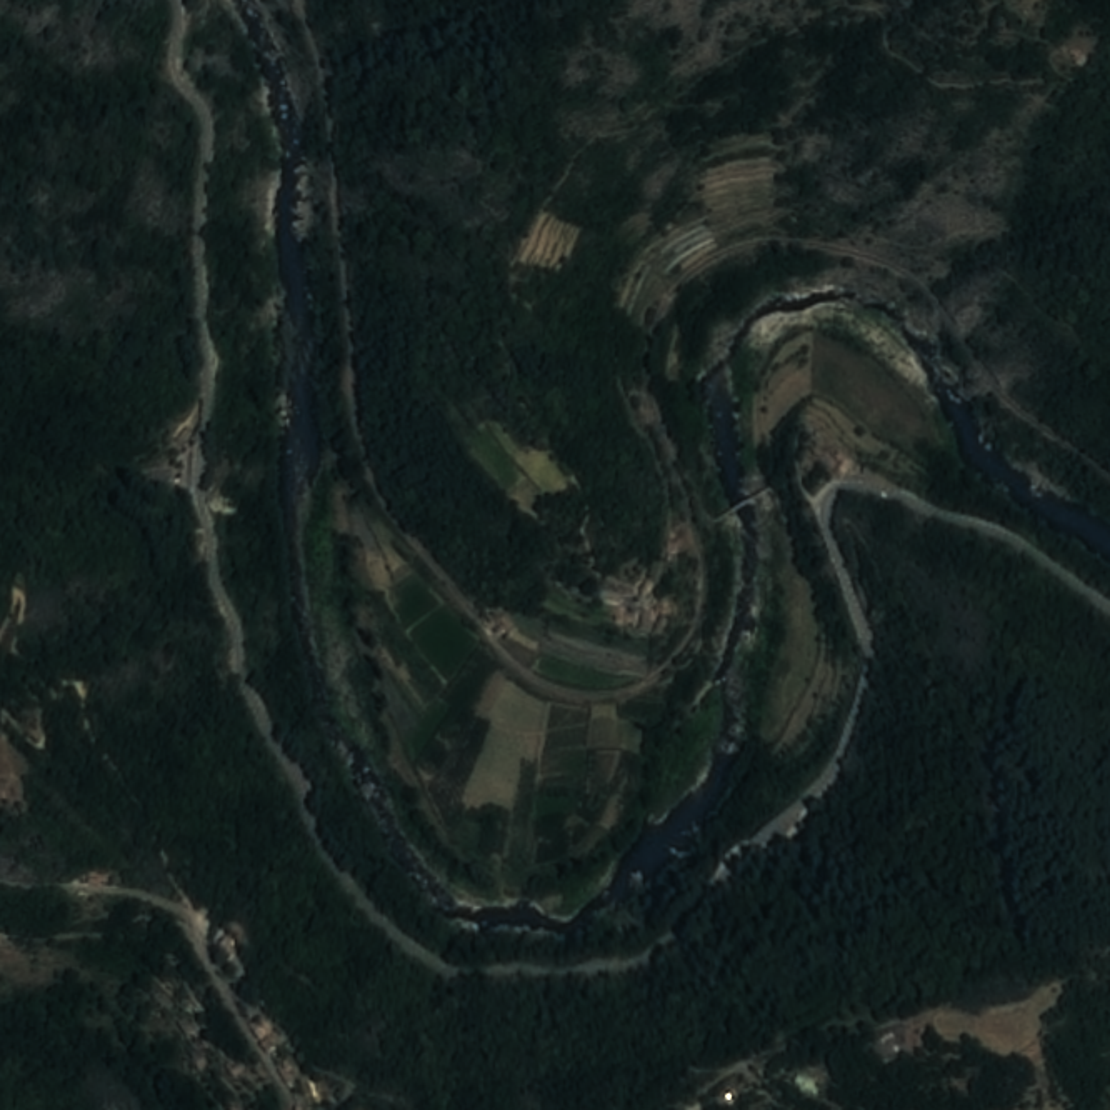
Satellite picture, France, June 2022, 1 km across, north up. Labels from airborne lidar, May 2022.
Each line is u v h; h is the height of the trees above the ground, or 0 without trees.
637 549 8
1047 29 15
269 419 6
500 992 13
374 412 11
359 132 12
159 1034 10
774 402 0
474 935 8
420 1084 15
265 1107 14
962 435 0
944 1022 0
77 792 12
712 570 7
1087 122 13
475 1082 13
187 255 12
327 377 16
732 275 9
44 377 12
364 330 15
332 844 27
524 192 12
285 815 10
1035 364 7
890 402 0
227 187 10
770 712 0
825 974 7
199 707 16
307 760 27
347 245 11
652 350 17
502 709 0
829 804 8
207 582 17
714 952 20
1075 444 9
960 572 7
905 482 6
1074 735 32
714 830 21
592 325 7
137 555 9
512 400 16
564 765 0
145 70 11
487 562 9
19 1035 20
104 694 7
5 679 10
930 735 12
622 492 7
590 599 10
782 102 10
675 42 15
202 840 17
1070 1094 10
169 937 14
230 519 8
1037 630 15
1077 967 10
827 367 0
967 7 10
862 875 45
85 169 9
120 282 6
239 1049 14
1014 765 28
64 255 27
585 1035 15
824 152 8
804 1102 10
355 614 12
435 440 19
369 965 18
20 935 11
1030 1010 0
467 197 8
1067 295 8
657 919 18
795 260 7
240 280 15
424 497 17
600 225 9
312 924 18
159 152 10
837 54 9
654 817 0
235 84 15
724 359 0
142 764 12
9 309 11
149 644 13
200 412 8
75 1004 12
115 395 14
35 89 10
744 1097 7
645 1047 17
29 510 15
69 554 12
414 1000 18
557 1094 14
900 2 7
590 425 15
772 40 8
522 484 0
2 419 21
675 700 10
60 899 17
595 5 12
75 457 25
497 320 9
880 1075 17
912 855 14
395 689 0
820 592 11
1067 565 7
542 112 9
